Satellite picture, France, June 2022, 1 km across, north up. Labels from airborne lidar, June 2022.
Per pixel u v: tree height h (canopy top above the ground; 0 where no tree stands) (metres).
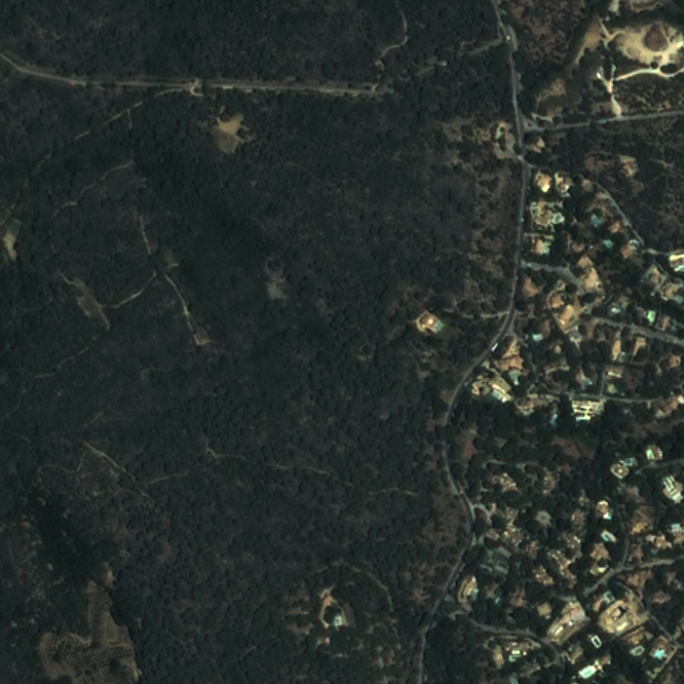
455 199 10
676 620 9
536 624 10
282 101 14
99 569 15
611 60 8
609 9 7
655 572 7
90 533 7
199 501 7
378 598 6
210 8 9
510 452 11
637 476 10
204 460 10
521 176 10
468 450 0
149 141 9
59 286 9
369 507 7
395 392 10
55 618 9
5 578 6
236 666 8
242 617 8
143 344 0
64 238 6
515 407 10
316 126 7
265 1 9
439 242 7
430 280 6
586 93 6
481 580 10
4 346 15
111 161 6
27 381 6
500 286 7
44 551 9
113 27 7
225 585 8
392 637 7
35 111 0
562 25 10
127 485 8
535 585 10
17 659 6
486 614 10
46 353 6
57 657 11
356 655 8
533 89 10
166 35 6
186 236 8
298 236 6
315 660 8
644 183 8
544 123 17
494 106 8
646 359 11
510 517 0
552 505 13
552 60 7
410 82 8
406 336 12
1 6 8
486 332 8
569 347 10
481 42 9
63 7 7
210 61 6
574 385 8
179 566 7
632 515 6
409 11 6
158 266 8
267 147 10
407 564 9
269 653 10
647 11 11
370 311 6
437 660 11
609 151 5
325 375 8
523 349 8
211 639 10
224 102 11
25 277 12
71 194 11
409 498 8
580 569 6
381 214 8
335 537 7
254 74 8
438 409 11
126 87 10
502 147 6
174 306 0
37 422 6
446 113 9
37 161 9
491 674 9
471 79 7
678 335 7
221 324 6
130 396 6
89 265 8
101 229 8
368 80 7
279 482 10
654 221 6
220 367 7
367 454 10
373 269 7
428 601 7
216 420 11
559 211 9
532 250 8
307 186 7
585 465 8
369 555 10
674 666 7
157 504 6
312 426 5
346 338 10
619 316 10
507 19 12
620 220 7
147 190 11
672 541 10
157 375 7
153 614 7
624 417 11
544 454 10
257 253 8
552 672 9
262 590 11
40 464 8
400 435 6
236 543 8
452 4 7
